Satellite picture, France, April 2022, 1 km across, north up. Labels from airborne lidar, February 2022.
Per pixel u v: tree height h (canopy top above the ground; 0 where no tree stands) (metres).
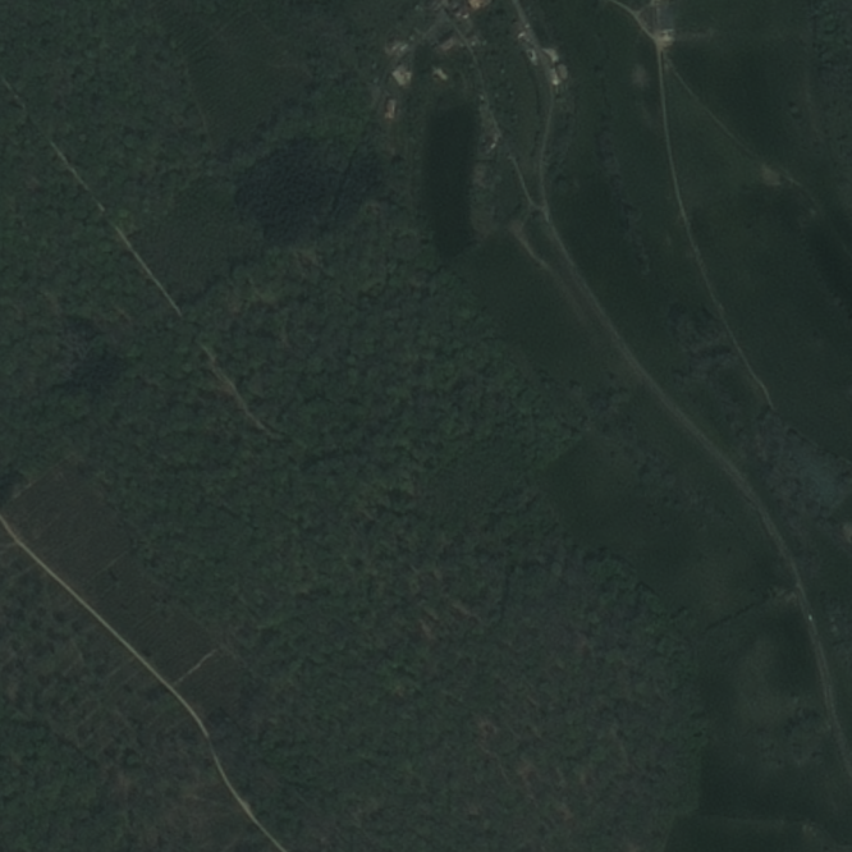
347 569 30
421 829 27
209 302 24
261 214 28
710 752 0
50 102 27
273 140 27
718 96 0
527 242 0
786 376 0
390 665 31
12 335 28
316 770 28
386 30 0
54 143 27
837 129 0
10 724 26
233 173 25
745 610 6
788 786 0
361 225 29
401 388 30
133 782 29
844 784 0
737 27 0
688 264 0
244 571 28
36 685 36
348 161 22
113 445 27
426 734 28
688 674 20
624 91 0
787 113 0
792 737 26
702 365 23
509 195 0
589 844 28
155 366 27
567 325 0
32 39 27
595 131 0
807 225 0
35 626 23
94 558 0
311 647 31
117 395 27
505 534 28
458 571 33
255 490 28
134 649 0
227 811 0
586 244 0
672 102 0
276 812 28
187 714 0
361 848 30
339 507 27
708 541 0
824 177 0
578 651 31
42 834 27
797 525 18
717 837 0
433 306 26
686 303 0
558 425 15
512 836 29
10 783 29
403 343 31
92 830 34
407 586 28
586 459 0
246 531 28
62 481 0
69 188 27
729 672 0
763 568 0
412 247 26
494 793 29
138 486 27
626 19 0
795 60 0
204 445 31
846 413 0
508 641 30
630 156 0
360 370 30
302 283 13
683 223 0
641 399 0
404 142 0
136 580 0
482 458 10
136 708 0
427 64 0
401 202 13
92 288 32
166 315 27
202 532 28
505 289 0
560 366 0
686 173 0
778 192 0
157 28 30
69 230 29
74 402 26
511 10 0
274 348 28
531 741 28
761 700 0
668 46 0
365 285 32
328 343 34
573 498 0
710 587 0
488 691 29
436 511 17
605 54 0
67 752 32
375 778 25
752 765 0
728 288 0
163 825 33
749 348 0
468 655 28
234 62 0
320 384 32
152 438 28
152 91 30
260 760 30
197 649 0
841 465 15
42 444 29
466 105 0
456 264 0
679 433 0
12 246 27
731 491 0
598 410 18
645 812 31
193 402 27
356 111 16
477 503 12
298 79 0
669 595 0
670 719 33
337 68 12
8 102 26
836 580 0
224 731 35
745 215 0
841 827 0
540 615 35
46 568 0
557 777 29
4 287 27
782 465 31
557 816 29
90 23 29
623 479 0
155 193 30
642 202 0
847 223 0
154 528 26
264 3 8
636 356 0
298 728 26
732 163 0
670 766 29
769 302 0
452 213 0
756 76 0
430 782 31
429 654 31
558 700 31
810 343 0
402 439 32
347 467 30
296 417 31
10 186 28
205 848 0
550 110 0
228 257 11
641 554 0
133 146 30
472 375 28
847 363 0
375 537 27
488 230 0
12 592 33
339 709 28
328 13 11
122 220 29
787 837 0
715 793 0
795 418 0
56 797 32
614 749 29
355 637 32
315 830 33
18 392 28
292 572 29
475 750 30
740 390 0
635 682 32
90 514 0
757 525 0
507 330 0
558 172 10
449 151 0
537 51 0
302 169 28
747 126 0
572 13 0
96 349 19
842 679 0
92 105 28
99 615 0
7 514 0
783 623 0
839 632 11
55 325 28
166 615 0
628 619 28
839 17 15
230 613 29
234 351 26
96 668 21
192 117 28
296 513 31
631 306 0
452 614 30
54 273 28
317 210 29
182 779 31
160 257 11
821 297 0
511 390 17
